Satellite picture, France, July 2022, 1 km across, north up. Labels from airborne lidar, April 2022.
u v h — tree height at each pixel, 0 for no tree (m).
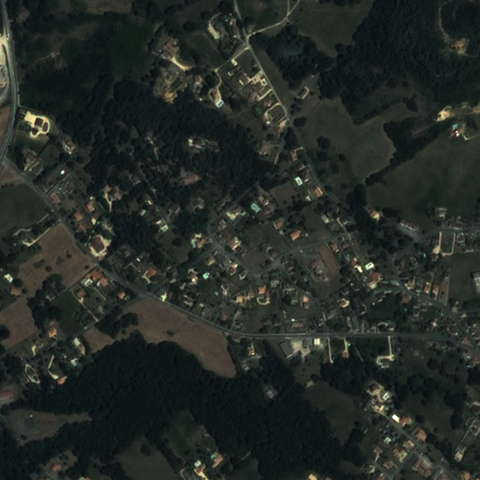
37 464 17
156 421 17
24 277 0
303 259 0
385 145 0
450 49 0
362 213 18
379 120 0
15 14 13
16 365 18
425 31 6
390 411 5
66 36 0
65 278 0
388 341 0
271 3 0
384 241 15
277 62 9
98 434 24
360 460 18
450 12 7
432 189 0
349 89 9
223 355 0
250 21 15
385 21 14
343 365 18
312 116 0
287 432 20
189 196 21
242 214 0
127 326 12
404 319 10
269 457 20
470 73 7
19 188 0
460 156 0
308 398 0
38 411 16
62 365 9
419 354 0
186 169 7
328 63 15
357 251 0
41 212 0
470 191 0
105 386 28
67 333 0
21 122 0
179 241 13
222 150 15
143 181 7
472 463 0
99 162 14
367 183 13
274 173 7
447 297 0
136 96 18
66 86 6
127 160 13
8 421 0
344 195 0
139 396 20
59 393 18
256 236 0
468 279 0
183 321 0
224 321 8
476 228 0
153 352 20
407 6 18
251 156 15
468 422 0
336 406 0
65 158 20
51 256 0
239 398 24
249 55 0
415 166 0
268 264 8
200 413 25
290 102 0
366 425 0
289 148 10
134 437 20
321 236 0
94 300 0
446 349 0
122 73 0
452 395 12
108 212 12
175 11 23
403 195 0
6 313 0
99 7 0
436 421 0
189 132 14
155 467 0
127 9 0
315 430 15
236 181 17
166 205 20
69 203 0
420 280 0
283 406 25
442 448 17
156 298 0
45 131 0
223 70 0
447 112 0
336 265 0
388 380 20
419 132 0
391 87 12
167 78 0
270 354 12
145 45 0
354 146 0
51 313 21
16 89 0
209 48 0
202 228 17
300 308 0
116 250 17
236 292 0
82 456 18
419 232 0
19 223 0
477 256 0
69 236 0
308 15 0
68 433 19
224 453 10
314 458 24
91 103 6
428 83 7
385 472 0
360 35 13
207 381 13
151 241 12
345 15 0
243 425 24
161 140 8
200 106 16
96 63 6
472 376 15
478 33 12
